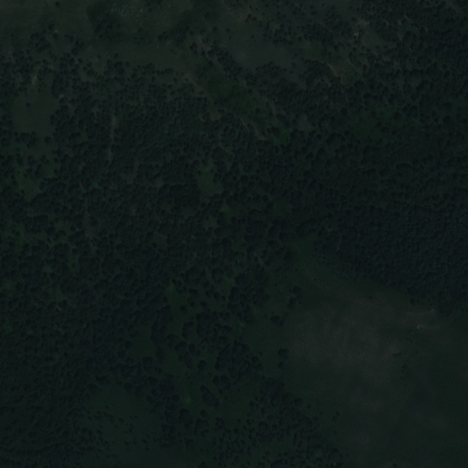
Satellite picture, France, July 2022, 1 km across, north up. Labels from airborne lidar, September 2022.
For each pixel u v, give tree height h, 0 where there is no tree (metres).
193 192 19
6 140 22
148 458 0
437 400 0
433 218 29
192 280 24
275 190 18
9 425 9
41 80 19
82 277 13
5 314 20
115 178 13
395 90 13
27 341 21
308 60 12
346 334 0
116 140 13
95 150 21
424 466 0
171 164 12
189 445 13
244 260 24
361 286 0
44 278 20
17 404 9
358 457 0
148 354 0
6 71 14
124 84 12
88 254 19
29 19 0
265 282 23
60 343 25
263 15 9
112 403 0
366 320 0
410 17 19
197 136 12
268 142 18
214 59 0
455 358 0
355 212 11
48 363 21
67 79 12
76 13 0
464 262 26
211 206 19
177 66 0
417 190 7
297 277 0
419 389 0
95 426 0
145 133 10
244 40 0
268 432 23
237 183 16
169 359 0
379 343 0
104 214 15
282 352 15
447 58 17
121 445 0
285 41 12
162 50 0
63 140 20
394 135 13
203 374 7
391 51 12
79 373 19
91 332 23
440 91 25
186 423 14
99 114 14
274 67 14
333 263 6
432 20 17
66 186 23
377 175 28
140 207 11
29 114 0
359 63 18
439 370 0
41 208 17
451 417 0
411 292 14
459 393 0
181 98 10
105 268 19
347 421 0
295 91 10
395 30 19
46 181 16
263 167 20
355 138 24
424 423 0
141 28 8
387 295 0
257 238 23
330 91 15
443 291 21
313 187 24
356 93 20
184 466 0
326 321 0
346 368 0
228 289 0
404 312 0
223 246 17
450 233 24
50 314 19
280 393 22
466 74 18
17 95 12
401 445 0
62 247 14
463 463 0
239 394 0
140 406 0
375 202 7
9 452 18
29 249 24
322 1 0
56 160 14
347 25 14
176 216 11
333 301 0
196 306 26
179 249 12
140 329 0
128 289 22
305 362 0
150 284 25
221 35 0
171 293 0
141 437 0
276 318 20
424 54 21
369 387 0
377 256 21
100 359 25
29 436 7
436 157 7
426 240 23
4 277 18
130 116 12
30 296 22
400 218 28
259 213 11
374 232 31
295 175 18
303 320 0
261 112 20
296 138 20
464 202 7
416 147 12
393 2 14
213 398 26
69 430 7
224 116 12
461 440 0
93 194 17
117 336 23
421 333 0
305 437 19
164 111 15
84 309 17
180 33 7
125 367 21
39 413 19
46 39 8
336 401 0
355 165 6
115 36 7
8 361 8
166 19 0
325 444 17
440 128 23
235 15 0
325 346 0
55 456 26
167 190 18
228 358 22
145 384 24
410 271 23
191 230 13
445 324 0
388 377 0
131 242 18
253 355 6
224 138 15
